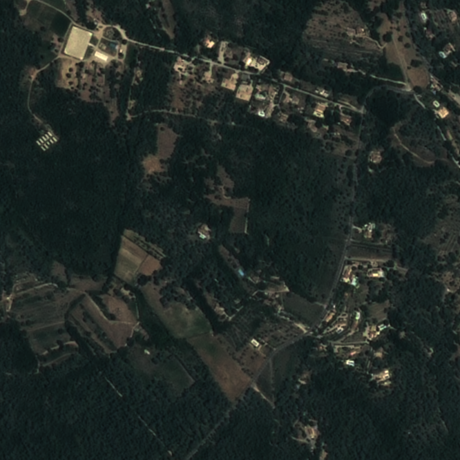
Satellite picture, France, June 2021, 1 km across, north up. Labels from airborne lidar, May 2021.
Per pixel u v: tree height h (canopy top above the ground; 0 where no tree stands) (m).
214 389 17
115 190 9
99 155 13
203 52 9
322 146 9
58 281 16
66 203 11
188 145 16
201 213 16
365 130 12
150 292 0
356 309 6
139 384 17
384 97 13
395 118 12
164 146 0
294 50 13
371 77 6
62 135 8
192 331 0
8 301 0
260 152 6
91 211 11
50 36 0
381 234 9
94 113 11
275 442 13
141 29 8
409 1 14
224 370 0
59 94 7
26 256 17
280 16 15
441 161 6
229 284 14
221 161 9
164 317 0
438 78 13
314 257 6
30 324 10
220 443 17
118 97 11
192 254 15
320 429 11
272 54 17
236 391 0
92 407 7
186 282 18
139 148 13
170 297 13
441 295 19
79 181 6
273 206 7
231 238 18
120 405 8
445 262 15
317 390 18
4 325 16
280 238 17
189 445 10
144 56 6
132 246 0
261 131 7
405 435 14
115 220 7
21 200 6
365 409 16
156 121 11
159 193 8
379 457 15
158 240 13
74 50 0
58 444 12
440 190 12
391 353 11
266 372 0
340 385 14
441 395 11
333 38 6
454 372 10
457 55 15
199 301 16
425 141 10
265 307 6
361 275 18
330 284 0
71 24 0
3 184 12
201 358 8
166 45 16
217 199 8
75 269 9
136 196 15
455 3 7
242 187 8
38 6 0
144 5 14
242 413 14
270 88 0
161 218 11
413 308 16
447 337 18
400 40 9
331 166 8
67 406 12
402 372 14
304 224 14
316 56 14
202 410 19
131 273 0
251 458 18
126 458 7
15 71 7
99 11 8
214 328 12
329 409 16
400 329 12
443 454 11
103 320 0
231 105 11
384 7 20
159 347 10
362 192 14
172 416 14
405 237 14
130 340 13
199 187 10
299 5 13
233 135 10
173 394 6
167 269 16
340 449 18
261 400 17
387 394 9
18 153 6
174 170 9
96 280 15
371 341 8
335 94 9
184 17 9
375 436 18
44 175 6
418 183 17
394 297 16
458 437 16
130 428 6
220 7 9
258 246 14
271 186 7
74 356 18
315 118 7
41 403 7
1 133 8
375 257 0
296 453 16
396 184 13
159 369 0
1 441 11
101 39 0
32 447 18
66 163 7
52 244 6
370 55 7
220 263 15
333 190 8
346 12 8
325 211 11
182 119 9
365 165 16
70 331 16
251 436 13
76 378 14
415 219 13
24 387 14
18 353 13
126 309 0
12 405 14
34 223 6
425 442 16
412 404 14
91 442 15
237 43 8
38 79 7
